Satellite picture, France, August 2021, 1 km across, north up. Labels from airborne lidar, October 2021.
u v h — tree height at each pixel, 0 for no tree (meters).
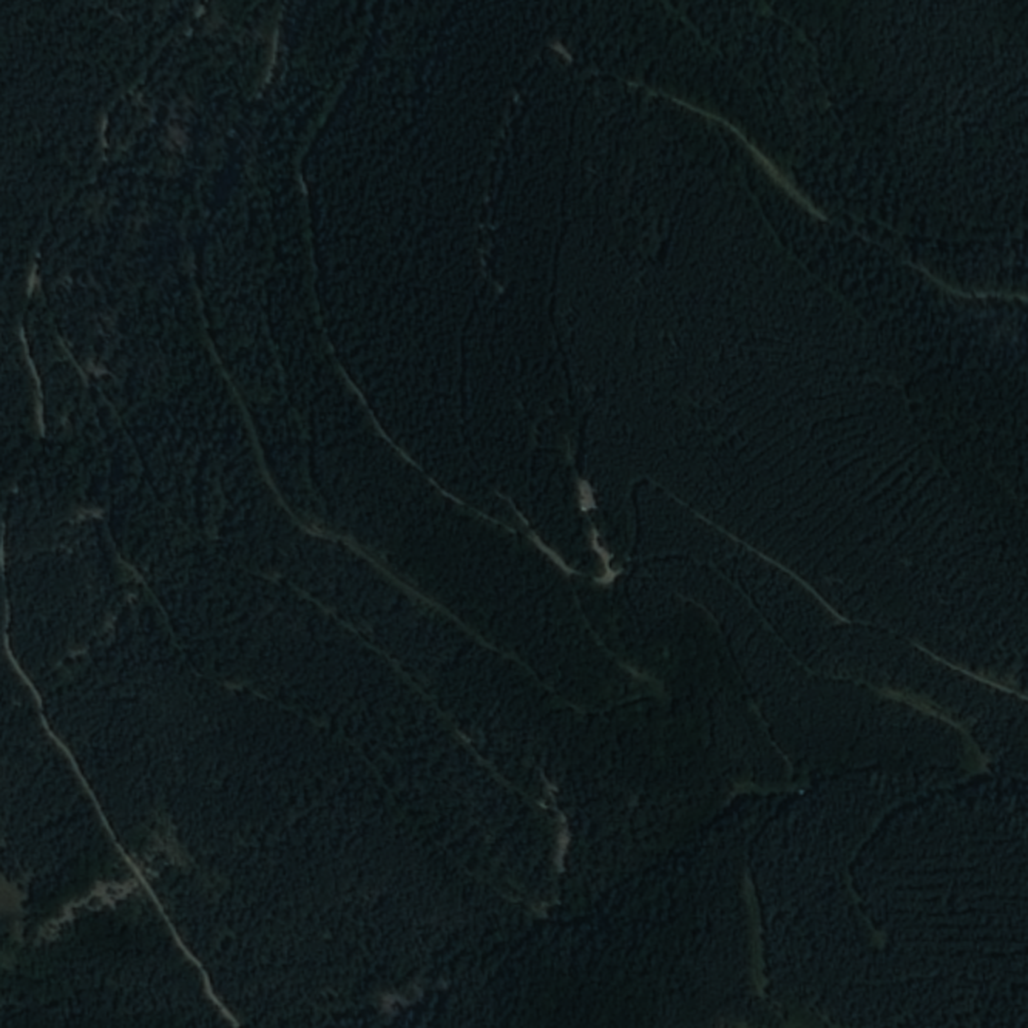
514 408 23
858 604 17
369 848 13
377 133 21
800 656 16
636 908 23
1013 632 15
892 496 16
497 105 25
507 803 26
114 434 19
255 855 17
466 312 26
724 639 9
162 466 18
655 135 16
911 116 21
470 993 10
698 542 22
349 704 19
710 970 21
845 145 15
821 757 24
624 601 16
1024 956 16
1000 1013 14
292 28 9
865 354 12
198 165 10
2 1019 13
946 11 19
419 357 22
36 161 16
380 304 25
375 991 21
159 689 7
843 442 15
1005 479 8
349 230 21
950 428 10
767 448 18
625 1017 21
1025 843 19
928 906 16
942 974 16
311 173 15
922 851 19
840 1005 14
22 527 12
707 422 16
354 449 23
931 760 21
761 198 10
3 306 13
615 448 25
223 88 17
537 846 26
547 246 12
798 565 15
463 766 13
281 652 26
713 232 19
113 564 20
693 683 12
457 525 10
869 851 15
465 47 24
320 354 12
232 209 23
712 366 20
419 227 21
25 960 7
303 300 18
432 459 24
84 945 13
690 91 11
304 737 23
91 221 9
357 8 12
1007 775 19
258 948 10
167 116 15
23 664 10
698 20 23
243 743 21
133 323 15
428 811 25
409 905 12
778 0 18
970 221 24
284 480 14
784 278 20
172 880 8
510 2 21
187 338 13
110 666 19
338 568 24
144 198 13
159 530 16
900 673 18
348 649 23
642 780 21
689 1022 14
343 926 22
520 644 8
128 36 13
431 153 22
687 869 25
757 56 24
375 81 16
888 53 19
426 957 20
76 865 17
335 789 12
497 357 22
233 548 19
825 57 18
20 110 14
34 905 13
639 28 20
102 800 11
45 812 13
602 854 21
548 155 23
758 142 14
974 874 17
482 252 16
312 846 23
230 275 21
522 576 12
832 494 17
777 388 17
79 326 13
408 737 16
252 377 12
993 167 16
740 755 20
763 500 17
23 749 10
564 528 25
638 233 17
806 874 16
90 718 9
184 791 16
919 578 18
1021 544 18
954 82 16
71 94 8
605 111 20
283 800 22
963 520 13
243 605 25
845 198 17
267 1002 11
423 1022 17
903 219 34
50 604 13
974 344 23
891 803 14
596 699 7
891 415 17
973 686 12
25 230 8
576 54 12
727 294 21
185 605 21
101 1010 18
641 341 22
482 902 27
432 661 23
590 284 22
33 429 8
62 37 12
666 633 19
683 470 20
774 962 17
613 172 20
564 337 23
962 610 18
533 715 17
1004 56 12
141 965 12
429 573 12
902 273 20
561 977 19
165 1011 11
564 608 9
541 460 18
